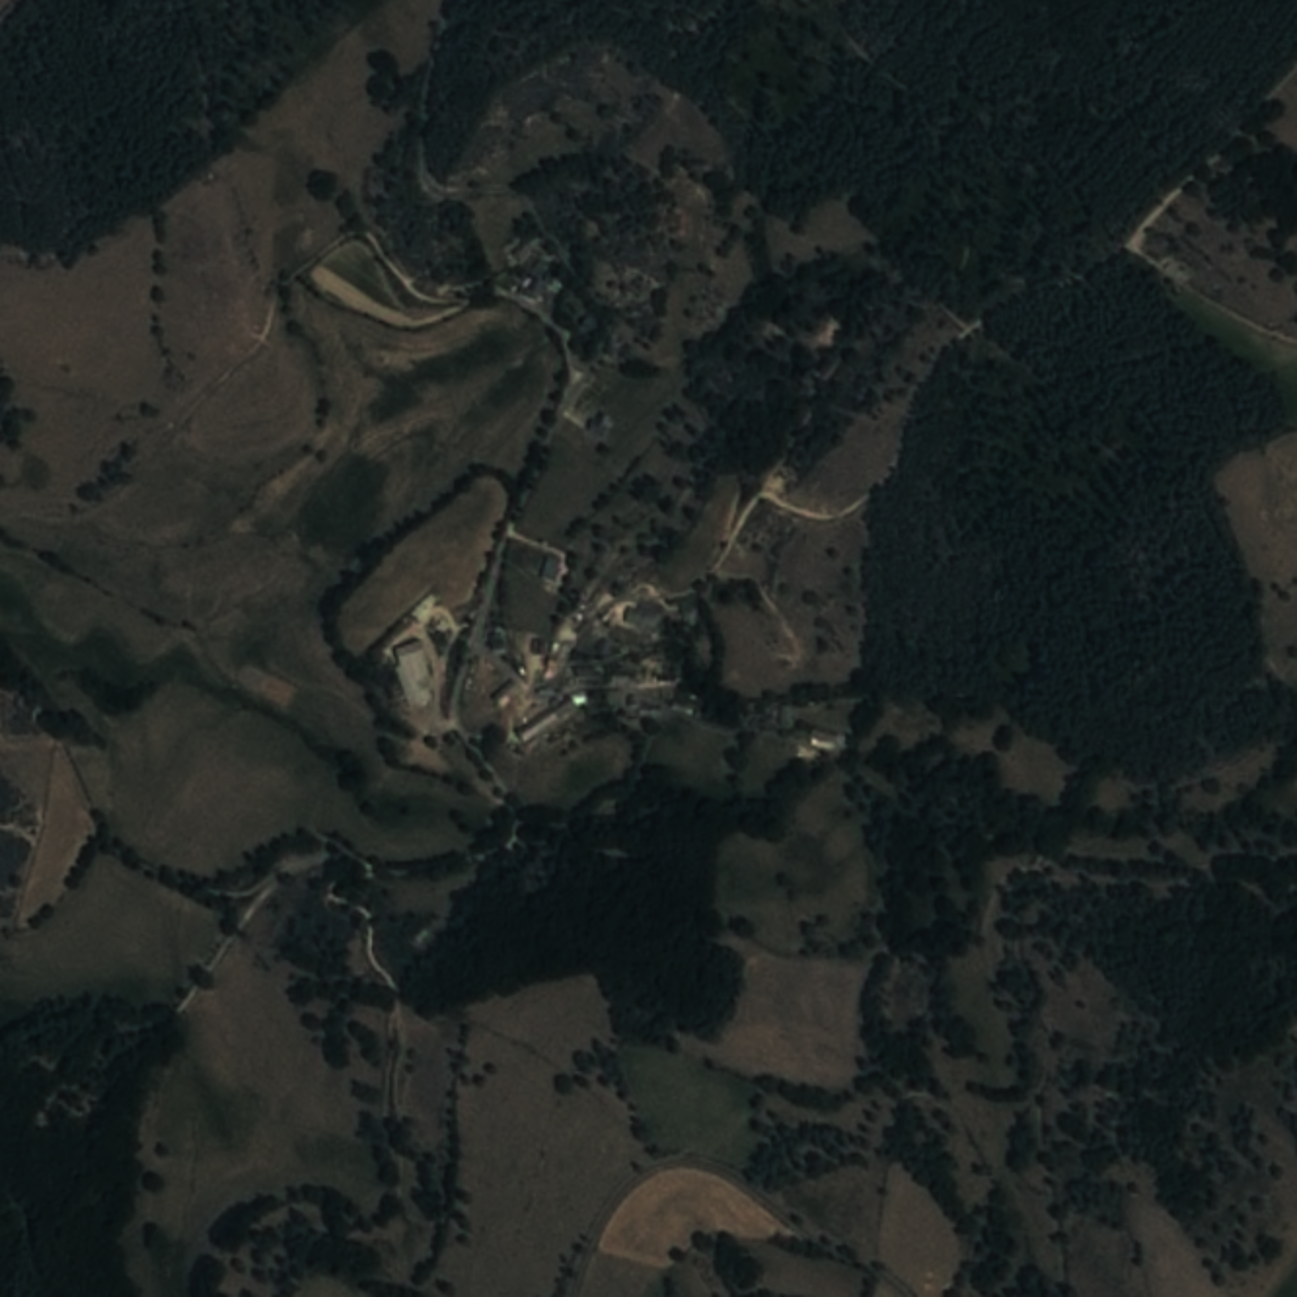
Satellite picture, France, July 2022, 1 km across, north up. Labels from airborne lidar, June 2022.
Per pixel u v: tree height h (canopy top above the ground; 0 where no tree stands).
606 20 14
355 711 0
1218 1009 17
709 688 16
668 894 27
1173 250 7
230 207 0
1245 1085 0
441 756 0
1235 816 13
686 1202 0
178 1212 0
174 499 0
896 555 14
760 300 21
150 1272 0
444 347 0
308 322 0
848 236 0
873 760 9
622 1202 0
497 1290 0
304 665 0
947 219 30
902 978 0
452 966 19
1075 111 15
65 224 13
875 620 13
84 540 0
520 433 0
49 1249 26
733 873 0
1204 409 24
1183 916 16
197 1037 0
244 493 0
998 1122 0
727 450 11
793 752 0
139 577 0
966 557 12
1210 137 18
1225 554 16
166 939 0
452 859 10
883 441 0
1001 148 24
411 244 9
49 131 21
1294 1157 0
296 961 12
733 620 0
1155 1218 0
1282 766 11
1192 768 7
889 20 15
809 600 11
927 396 10
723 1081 0
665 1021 15
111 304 0
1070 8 7
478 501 0
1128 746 8
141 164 23
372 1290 13
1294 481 0
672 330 0
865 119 27
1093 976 0
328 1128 0
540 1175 0
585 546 0
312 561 0
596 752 0
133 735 0
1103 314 23
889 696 16
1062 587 32
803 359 17
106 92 25
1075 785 15
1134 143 19
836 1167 8
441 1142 0
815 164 28
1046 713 25
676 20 16
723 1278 9
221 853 0
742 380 9
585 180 6
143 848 0
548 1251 0
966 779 19
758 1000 0
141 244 0
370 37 0
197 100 17
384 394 0
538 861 17
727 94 22
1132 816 7
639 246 7
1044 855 18
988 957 0
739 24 26
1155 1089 8
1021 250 32
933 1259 0
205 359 0
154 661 0
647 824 14
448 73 14
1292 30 19
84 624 0
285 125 0
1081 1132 16
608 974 17
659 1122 0
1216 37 19
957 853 23
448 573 0
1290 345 0
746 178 12
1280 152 15
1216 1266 13
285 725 0
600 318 10
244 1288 0
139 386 0
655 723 13
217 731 0
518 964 20
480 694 0
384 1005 12
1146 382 15
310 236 0
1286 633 0
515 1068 0
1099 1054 0
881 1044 13
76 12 21
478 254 11
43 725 13
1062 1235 9
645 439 0
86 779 0
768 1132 16
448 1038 0
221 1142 0
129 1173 22
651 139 0
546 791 0
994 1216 19
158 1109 0
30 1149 22
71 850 0
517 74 7
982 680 31
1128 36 16
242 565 0
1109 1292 0
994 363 0
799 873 0
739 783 15
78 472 0
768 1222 0
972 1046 15
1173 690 14
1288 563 0
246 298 0
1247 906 12
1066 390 24
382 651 0
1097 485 35
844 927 0
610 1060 19
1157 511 9
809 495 0
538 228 9
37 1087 18
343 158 0
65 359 0
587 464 0
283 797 0
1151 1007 13
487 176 0
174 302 0
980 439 28
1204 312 0
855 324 12
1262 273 0
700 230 0
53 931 0
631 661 7
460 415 0
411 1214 0
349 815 0
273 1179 0
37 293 0
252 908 0
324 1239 14
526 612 0
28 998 0
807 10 24
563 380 12
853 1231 0
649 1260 0
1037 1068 19
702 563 0
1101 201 19
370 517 0
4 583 0
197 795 0
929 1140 7
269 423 0
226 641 0
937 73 23
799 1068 0
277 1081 0
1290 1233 0
